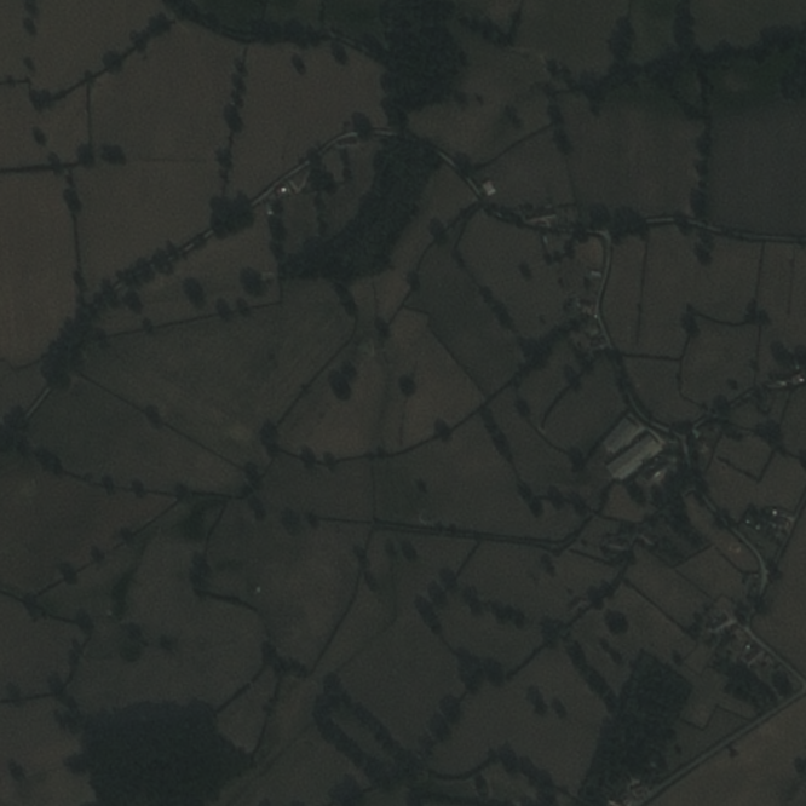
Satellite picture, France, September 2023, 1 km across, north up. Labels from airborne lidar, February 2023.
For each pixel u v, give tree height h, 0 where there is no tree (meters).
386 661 0
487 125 0
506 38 7
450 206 0
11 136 0
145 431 0
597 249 0
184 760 26
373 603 0
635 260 0
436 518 0
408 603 0
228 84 0
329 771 0
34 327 0
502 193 0
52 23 0
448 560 0
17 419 15
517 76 0
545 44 0
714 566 0
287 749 0
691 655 0
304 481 0
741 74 0
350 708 9
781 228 0
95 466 0
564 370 0
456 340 0
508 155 0
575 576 0
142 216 0
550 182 0
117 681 0
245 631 0
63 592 0
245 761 17
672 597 0
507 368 0
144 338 0
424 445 0
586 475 0
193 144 0
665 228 0
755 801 0
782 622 0
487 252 0
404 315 0
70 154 0
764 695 19
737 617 11
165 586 0
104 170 0
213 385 0
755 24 0
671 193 0
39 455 9
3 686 0
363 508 0
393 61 7
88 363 0
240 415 0
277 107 0
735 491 0
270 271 0
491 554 0
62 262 0
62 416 0
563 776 0
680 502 17
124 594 0
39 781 0
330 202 0
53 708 0
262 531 0
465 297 0
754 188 0
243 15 0
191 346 0
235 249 0
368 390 0
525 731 0
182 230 0
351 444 0
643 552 0
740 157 0
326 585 0
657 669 6
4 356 0
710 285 0
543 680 0
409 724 0
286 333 0
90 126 0
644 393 0
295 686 0
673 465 0
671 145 0
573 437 0
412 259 0
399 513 0
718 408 14
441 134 0
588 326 0
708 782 0
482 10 0
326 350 0
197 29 0
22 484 0
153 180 0
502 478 0
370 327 0
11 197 0
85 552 0
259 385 0
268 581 0
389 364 0
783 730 0
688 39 19
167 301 0
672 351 0
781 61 0
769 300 0
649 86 0
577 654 20
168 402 0
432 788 0
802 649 0
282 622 0
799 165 0
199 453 0
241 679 0
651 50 0
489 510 0
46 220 0
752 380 0
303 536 0
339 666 0
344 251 23
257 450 0
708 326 0
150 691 0
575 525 0
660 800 0
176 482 0
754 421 0
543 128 0
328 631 0
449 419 0
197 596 10
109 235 0
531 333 0
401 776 19
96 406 0
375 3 0
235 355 0
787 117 0
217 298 0
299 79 0
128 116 0
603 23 0
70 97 0
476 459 0
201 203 0
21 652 0
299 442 0
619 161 0
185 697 0
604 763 9
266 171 0
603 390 0
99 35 0
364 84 0
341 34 9
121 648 0
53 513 0
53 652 0
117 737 26
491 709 0
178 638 0
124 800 24
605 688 14
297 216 0
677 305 0
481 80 0
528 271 13
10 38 0
